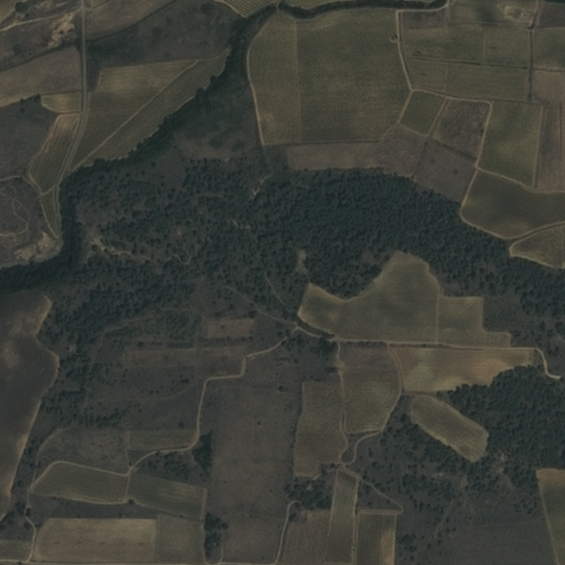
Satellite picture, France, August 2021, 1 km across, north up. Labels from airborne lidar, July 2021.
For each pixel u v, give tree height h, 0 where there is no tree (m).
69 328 10
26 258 0
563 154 0
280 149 0
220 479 0
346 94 0
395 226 14
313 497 13
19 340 0
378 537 0
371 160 0
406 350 0
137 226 15
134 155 11
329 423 0
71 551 0
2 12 0
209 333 0
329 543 0
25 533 0
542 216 0
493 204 0
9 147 0
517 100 0
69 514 0
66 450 0
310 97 0
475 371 0
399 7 6
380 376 0
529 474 11
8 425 0
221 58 0
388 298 0
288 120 0
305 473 0
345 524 0
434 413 0
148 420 0
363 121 0
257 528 0
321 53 0
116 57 0
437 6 7
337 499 0
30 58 0
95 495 0
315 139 0
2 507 0
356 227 14
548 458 14
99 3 0
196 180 9
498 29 0
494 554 0
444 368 0
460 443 0
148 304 13
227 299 9
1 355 0
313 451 0
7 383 0
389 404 0
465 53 0
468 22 0
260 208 10
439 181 0
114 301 9
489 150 0
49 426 0
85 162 0
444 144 0
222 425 0
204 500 0
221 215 11
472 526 0
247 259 11
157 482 0
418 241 14
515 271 13
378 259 13
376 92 0
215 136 0
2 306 0
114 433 0
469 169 0
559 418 16
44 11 0
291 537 0
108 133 0
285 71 0
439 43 0
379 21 0
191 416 0
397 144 0
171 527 0
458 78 0
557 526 0
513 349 0
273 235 12
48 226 0
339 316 0
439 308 0
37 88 0
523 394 12
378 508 0
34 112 0
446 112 0
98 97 0
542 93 0
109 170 11
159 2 0
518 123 0
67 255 10
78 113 0
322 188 13
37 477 0
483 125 0
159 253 0
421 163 0
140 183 10
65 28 0
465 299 0
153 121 0
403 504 0
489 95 0
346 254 13
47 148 0
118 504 0
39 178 0
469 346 0
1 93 0
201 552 0
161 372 0
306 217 9
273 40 0
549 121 0
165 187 8
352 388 0
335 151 0
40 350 0
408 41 0
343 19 0
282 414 0
